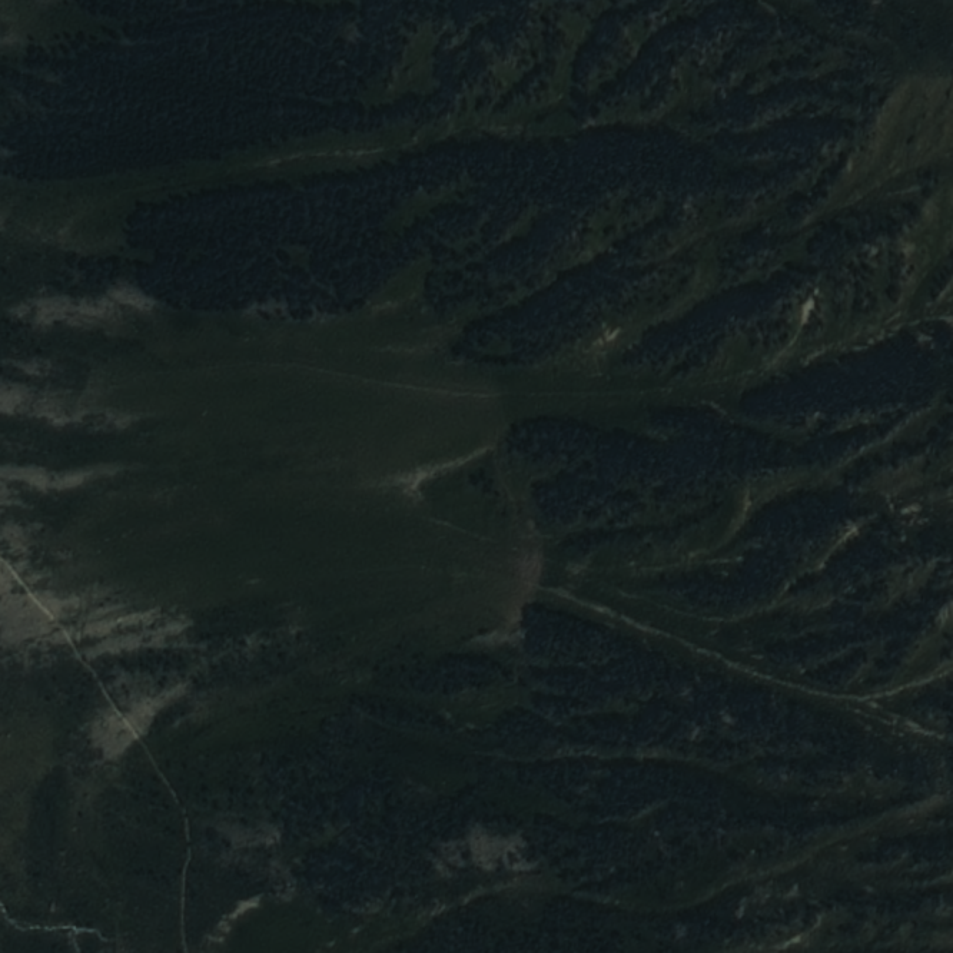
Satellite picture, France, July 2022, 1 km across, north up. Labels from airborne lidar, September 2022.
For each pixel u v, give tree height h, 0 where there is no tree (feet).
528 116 0
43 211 0
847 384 47
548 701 22
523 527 0
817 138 21
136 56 63
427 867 28
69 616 0
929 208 0
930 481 0
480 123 0
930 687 0
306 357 0
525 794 0
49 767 0
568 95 0
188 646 0
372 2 55
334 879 44
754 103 24
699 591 25
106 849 0
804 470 0
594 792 30
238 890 0
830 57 0
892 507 0
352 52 65
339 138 0
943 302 0
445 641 0
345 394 0
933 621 29
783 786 31
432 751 0
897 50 0
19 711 0
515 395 0
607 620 0
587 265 0
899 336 0
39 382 0
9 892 0
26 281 0
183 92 73
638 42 0
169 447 0
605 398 0
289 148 0
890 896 0
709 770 0
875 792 0
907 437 0
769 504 0
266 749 0
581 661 21
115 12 52
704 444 37
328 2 0
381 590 0
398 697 0
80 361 0
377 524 0
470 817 31
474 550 0
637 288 32
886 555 26
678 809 37
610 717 0
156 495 0
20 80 58
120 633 0
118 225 0
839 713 0
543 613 25
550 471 0
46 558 0
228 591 0
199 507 0
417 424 0
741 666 0
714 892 0
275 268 94
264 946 0
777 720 30
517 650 0
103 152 73
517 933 22
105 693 0
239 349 0
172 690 0
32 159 65
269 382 0
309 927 0
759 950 0
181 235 67
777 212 0
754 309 30
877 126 0
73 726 0
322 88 71
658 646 0
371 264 48
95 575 0
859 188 0
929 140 0
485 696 0
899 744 0
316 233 70
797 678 0
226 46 62
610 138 28
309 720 0
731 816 22
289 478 0
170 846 0
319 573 0
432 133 0
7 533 0
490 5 35
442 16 25
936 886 0
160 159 68
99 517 0
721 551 0
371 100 0
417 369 0
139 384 0
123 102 80
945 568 37
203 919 0
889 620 0
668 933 19
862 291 34
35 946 0
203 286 55
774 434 0
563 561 0
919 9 0
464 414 0
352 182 69
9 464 0
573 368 0
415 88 0
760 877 0
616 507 31
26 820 0
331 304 63
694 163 37
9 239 0
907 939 0
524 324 25
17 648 0
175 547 0
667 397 0
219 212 83
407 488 0
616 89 41
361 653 0
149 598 0
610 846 25
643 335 0
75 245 0
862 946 0
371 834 30
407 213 0
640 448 48
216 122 75
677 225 26
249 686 0
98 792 0
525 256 43
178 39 76
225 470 0
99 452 0
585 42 0
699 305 0
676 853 24
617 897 0
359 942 0
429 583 0
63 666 0
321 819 26
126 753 0
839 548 0
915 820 0
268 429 0
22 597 0
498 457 0
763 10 0
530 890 0
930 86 0
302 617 0
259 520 0
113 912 0
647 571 0
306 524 0
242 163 0
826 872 0
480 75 22
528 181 32
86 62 61
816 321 31
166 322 0
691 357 34
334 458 0
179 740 0
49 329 0
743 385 0
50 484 0
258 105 79
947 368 0
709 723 31
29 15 0
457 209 29
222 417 0
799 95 43
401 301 0
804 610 0
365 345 0
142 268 42
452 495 0
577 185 27
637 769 41
